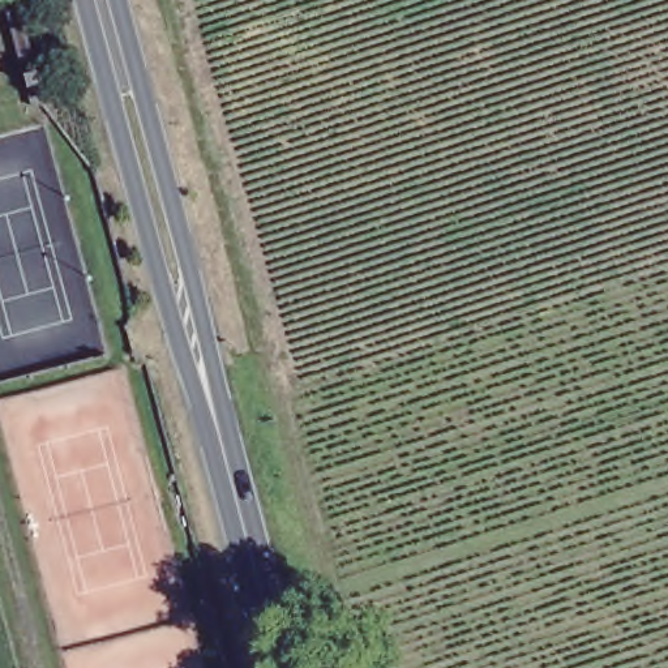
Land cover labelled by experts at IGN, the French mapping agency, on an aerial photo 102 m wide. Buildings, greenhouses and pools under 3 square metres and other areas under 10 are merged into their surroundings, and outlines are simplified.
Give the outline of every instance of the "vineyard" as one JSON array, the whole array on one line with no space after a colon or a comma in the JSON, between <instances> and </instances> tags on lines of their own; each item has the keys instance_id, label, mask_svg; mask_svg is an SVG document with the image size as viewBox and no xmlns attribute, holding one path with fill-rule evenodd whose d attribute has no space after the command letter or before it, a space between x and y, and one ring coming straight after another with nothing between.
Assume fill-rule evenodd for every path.
<instances>
[{"instance_id":1,"label":"vineyard","mask_svg":"<svg viewBox=\"0 0 668 668\"><path fill-rule=\"evenodd\" d=\"M253 224L258 230L261 253L282 253L266 261L266 271L271 279L271 295L279 308L284 337L292 350L295 376L308 378L313 386L300 394L303 399L324 399L324 404L318 407L295 412L295 420L305 433L308 454L321 457L321 464L313 467L324 488L321 511L326 519L339 519L337 527L329 527L339 540L324 551L313 551L297 569L300 574L308 579L321 579L352 608L365 603L373 605L378 616L384 611L394 611L391 624L381 631L389 642L394 668L668 668L668 491L650 493L621 506L611 506L605 511L577 517L553 530L538 530L524 538L504 540L491 548L480 548L410 571L404 577L376 582L371 587L357 590L352 577L415 556L428 556L438 548L475 540L488 532L509 530L530 519L551 517L569 506L598 501L603 496L613 496L668 478L668 0L196 0L198 34L204 42L222 117L240 159L240 177L253 211Z\"/></svg>"}]
</instances>

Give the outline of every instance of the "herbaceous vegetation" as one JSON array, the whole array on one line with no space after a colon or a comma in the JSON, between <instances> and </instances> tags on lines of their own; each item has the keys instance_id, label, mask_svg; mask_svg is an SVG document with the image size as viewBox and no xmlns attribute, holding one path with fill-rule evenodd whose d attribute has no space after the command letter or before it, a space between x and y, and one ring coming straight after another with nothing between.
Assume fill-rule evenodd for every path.
<instances>
[{"instance_id":1,"label":"herbaceous vegetation","mask_svg":"<svg viewBox=\"0 0 668 668\"><path fill-rule=\"evenodd\" d=\"M491 548L504 540L524 538L538 530L553 530L577 517L605 511L611 506L621 506L650 493L668 491L668 478L613 496L603 496L598 501L569 506L551 517L530 519L509 530L488 532L475 540L438 548L428 556L415 556L352 577L357 590L371 587L376 582L404 577L410 571L480 548Z\"/></svg>"},{"instance_id":2,"label":"herbaceous vegetation","mask_svg":"<svg viewBox=\"0 0 668 668\"><path fill-rule=\"evenodd\" d=\"M42 574L31 551L31 535L26 514L21 509L21 496L16 491L10 467L0 459L0 668L65 668L63 655L57 652L55 621L50 616L47 598L42 590Z\"/></svg>"},{"instance_id":3,"label":"herbaceous vegetation","mask_svg":"<svg viewBox=\"0 0 668 668\"><path fill-rule=\"evenodd\" d=\"M133 217L125 209L128 190L115 167L107 125L97 99L97 86L91 84L84 99L68 110L34 99L39 94L34 86L26 86L23 81L23 73L29 70L42 52L60 47L63 42L78 50L78 60L86 65L81 26L73 18L65 23L65 39L60 39L57 34L39 34L29 39L29 47L18 57L10 31L0 29L0 136L5 138L31 130L47 133L104 334L104 347L97 357L84 357L0 381L0 402L8 397L21 397L60 384L102 376L117 368L128 373L136 412L144 431L144 444L162 493L162 514L172 538L172 548L175 553L188 556L204 571L201 600L206 603L190 618L190 624L196 629L196 639L211 650L211 658L217 660L214 668L248 668L245 650L251 634L251 616L253 608L264 603L271 592L271 587L256 571L251 571L248 553L258 543L245 538L240 543L227 545L222 540L196 436L190 428L183 386L172 365L157 303L151 300L149 271L141 253L136 251L141 243Z\"/></svg>"},{"instance_id":4,"label":"herbaceous vegetation","mask_svg":"<svg viewBox=\"0 0 668 668\"><path fill-rule=\"evenodd\" d=\"M324 551L339 540L329 527L337 527L339 519L326 519L321 511L324 488L313 467L321 464L321 457L308 454L305 433L295 420L295 412L318 407L324 404L324 399L303 399L300 394L313 386L308 378L295 376L292 350L284 337L279 308L271 295L271 279L266 271L266 261L282 253L261 253L258 230L253 224L253 211L240 177L240 159L222 117L204 42L198 34L196 0L130 0L141 52L154 86L175 175L177 183L188 188L185 214L196 240L209 308L222 337L224 371L237 410L243 444L248 451L251 480L258 491L261 511L274 551L282 553L292 569L297 569L313 551Z\"/></svg>"}]
</instances>

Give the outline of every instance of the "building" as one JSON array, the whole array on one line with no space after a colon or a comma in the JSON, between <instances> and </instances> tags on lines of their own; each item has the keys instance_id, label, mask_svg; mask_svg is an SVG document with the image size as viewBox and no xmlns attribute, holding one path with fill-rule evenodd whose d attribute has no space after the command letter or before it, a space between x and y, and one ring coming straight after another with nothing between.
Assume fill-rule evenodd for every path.
<instances>
[{"instance_id":1,"label":"building","mask_svg":"<svg viewBox=\"0 0 668 668\"><path fill-rule=\"evenodd\" d=\"M0 0L0 29L10 31L18 57L29 47L29 39L21 31L23 23L18 13L3 0Z\"/></svg>"},{"instance_id":2,"label":"building","mask_svg":"<svg viewBox=\"0 0 668 668\"><path fill-rule=\"evenodd\" d=\"M26 86L34 86L37 73L29 70L23 73L23 81Z\"/></svg>"}]
</instances>

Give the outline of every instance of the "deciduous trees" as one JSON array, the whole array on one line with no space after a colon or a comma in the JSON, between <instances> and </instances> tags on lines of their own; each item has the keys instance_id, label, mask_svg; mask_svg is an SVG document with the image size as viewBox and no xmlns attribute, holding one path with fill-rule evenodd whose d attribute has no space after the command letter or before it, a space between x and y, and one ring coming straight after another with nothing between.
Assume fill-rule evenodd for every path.
<instances>
[{"instance_id":1,"label":"deciduous trees","mask_svg":"<svg viewBox=\"0 0 668 668\"><path fill-rule=\"evenodd\" d=\"M253 608L251 616L251 634L245 650L248 668L394 668L389 642L381 631L391 624L394 611L384 611L378 616L373 605L365 603L352 608L321 579L308 579L300 574L290 582L290 590L284 590L282 595L271 592L264 603Z\"/></svg>"},{"instance_id":2,"label":"deciduous trees","mask_svg":"<svg viewBox=\"0 0 668 668\"><path fill-rule=\"evenodd\" d=\"M3 0L18 13L23 23L21 31L29 39L39 34L57 34L60 39L65 39L65 23L73 18L70 0Z\"/></svg>"},{"instance_id":3,"label":"deciduous trees","mask_svg":"<svg viewBox=\"0 0 668 668\"><path fill-rule=\"evenodd\" d=\"M34 99L68 110L84 99L91 84L86 65L78 60L78 50L63 42L60 47L42 52L29 70L37 73L34 86L39 94Z\"/></svg>"}]
</instances>

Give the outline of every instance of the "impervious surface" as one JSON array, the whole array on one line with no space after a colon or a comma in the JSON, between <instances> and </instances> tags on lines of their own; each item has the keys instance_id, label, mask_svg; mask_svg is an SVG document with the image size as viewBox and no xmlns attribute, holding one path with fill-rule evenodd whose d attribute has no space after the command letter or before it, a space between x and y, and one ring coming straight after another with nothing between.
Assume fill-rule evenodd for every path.
<instances>
[{"instance_id":1,"label":"impervious surface","mask_svg":"<svg viewBox=\"0 0 668 668\"><path fill-rule=\"evenodd\" d=\"M190 618L206 603L201 600L204 571L188 556L175 553L172 548L172 538L162 514L162 493L144 444L144 431L136 412L128 373L117 368L102 376L60 384L21 397L8 397L0 402L0 459L10 467L16 491L21 496L21 509L26 514L31 535L31 551L42 574L42 590L47 598L50 616L55 621L57 652L63 655L65 668L214 668L217 660L211 658L211 650L196 639L196 629L190 624Z\"/></svg>"},{"instance_id":2,"label":"impervious surface","mask_svg":"<svg viewBox=\"0 0 668 668\"><path fill-rule=\"evenodd\" d=\"M256 571L271 587L271 592L282 595L284 590L290 590L290 582L300 574L297 569L292 569L282 553L274 551L261 511L258 491L251 480L248 451L243 444L237 410L224 371L222 337L209 308L196 240L185 214L188 188L177 183L175 175L154 86L141 52L130 0L70 0L73 18L81 26L86 65L91 84L97 86L97 99L107 125L115 167L128 190L125 209L133 217L141 243L136 251L141 253L149 271L151 300L157 303L172 365L183 386L190 428L196 436L222 540L227 545L240 543L245 538L258 543L248 553L251 571Z\"/></svg>"},{"instance_id":3,"label":"impervious surface","mask_svg":"<svg viewBox=\"0 0 668 668\"><path fill-rule=\"evenodd\" d=\"M0 136L0 381L84 357L97 357L104 347L104 334L47 133L31 130L5 138Z\"/></svg>"}]
</instances>

